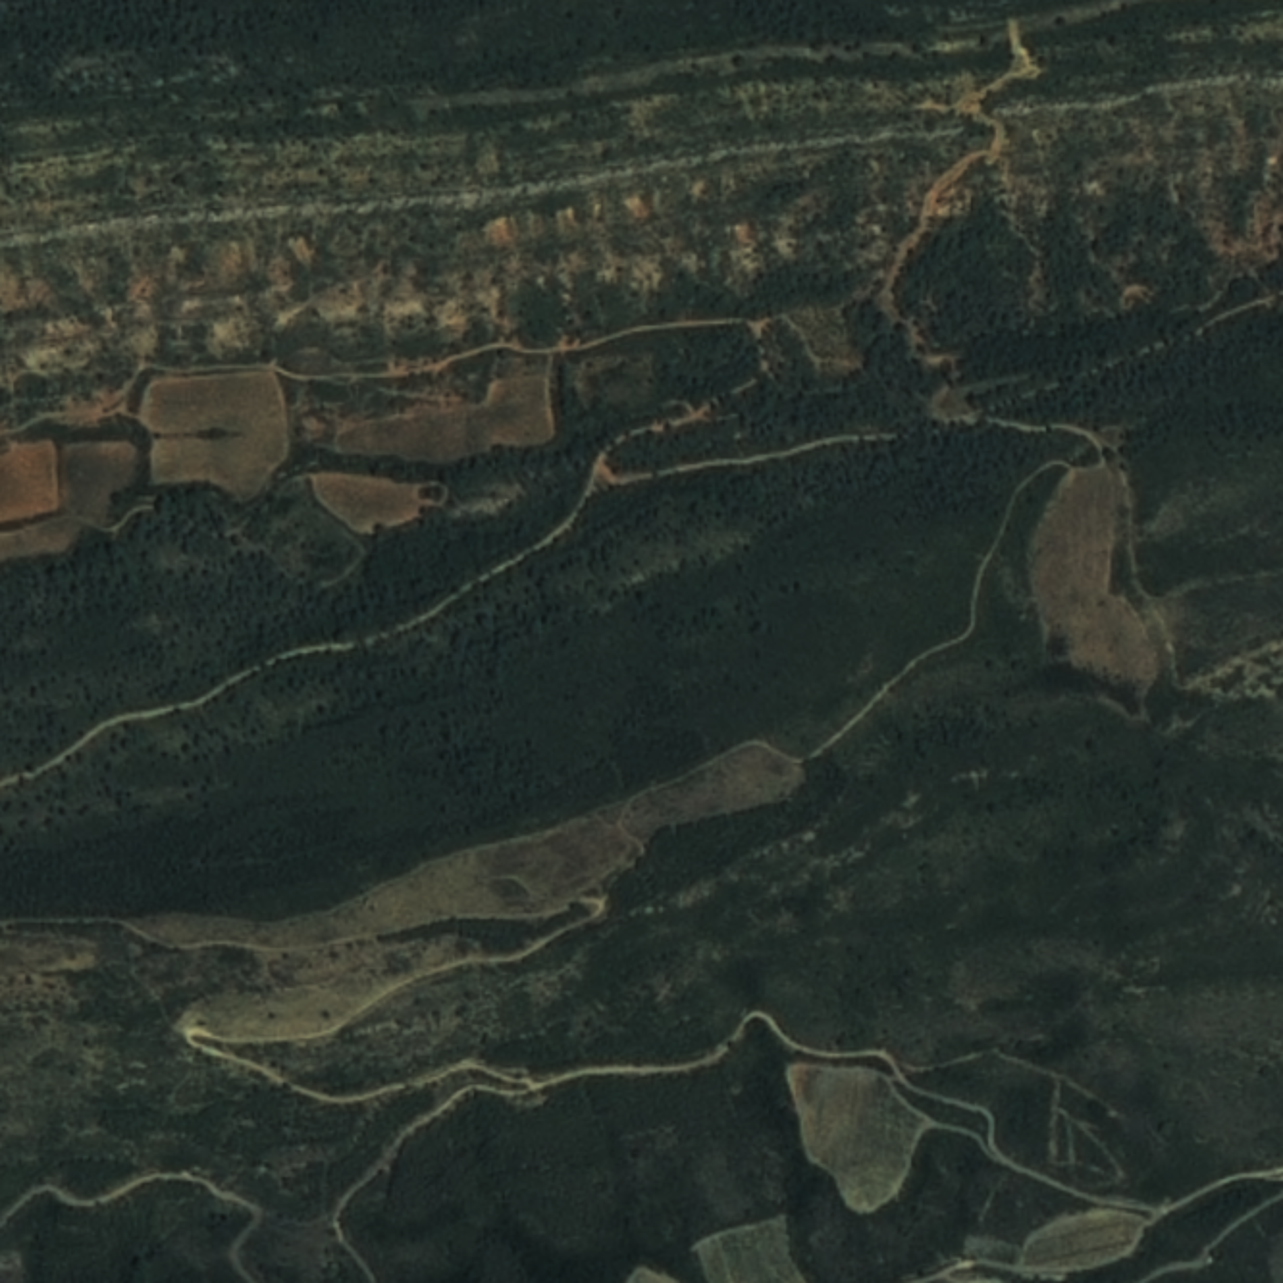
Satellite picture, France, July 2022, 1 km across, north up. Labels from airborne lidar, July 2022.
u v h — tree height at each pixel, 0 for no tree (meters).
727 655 0
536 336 7
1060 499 0
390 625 11
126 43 6
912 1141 0
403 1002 0
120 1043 0
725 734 0
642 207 0
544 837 0
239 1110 6
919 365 10
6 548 0
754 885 0
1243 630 0
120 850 6
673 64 0
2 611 6
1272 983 0
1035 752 0
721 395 9
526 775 7
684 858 6
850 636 0
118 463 0
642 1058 6
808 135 0
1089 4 0
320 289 0
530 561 8
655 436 10
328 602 10
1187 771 0
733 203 0
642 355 0
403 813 0
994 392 7
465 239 0
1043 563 0
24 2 8
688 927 0
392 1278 8
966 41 0
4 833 7
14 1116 0
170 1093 0
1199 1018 0
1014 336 11
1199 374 7
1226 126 0
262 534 8
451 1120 7
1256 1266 0
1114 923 0
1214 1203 8
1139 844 8
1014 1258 0
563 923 7
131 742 8
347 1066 0
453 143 0
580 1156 6
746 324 7
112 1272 9
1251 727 0
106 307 0
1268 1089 0
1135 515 0
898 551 0
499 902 0
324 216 0
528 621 8
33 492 0
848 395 8
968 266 9
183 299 0
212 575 9
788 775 0
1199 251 7
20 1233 7
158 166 0
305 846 5
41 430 0
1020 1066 0
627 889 6
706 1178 0
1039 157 0
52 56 6
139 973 0
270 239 0
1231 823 0
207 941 0
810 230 7
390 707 6
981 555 0
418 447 0
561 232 0
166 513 13
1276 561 0
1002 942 0
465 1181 7
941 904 0
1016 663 9
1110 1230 0
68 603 8
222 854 6
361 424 0
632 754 6
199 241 0
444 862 0
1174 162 0
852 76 7
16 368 0
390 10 8
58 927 7
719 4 0
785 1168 7
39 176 0
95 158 0
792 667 0
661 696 6
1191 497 0
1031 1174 0
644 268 0
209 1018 0
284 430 0
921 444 10
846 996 5
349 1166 6
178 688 9
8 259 0
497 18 0
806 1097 0
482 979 0
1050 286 6
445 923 6
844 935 0
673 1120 6
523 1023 0
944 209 0
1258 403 6
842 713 0
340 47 0
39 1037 0
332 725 8
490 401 0
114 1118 6
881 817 0
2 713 6
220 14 9
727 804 0
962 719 8
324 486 0
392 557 8
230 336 0
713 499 7
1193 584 0
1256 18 0
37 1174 7
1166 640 0
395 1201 6
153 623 0
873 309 12
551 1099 7
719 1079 7
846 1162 0
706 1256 0
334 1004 0
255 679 7
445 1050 0
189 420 0
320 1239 0
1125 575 0
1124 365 8
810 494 7
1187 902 0
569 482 7
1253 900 0
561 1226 6
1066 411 8
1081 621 0
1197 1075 0
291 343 0
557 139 0
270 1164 7
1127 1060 0
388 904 0
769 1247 0
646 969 7
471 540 7
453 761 10
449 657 8
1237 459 0
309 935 0
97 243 0
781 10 7
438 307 0
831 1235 0
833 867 0
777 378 8
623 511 8
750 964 6
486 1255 6
